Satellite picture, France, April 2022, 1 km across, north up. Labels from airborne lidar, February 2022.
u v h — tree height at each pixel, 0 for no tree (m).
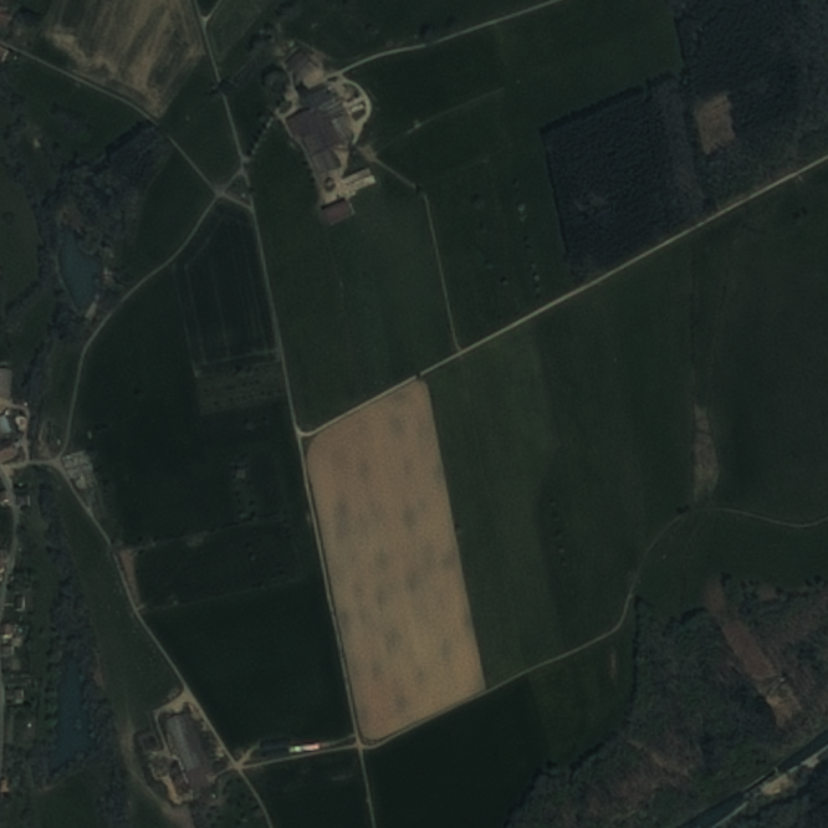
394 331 0
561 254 0
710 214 19
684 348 0
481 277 0
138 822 0
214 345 0
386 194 0
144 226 0
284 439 0
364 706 0
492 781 0
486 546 0
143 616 0
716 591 0
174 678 0
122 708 0
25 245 0
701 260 0
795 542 0
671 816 23
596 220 19
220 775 0
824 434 0
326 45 0
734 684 20
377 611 0
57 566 18
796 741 20
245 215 0
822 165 0
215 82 0
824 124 21
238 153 0
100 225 21
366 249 0
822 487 0
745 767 19
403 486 0
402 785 0
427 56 0
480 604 0
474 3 0
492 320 0
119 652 0
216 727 0
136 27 0
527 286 0
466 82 0
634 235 24
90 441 0
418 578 0
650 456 0
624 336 0
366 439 0
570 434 0
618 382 0
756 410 0
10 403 0
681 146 30
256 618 0
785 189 0
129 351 0
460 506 0
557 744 0
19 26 16
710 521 0
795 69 25
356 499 0
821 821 13
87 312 0
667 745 21
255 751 0
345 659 0
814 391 0
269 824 0
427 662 0
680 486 0
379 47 0
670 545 0
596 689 0
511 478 0
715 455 0
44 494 16
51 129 0
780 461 0
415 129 0
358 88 0
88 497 0
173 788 0
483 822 0
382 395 0
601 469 0
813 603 19
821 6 24
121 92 0
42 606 0
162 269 0
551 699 0
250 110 0
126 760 0
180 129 0
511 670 0
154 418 0
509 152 0
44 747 11
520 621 0
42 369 17
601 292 0
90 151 0
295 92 0
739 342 0
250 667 0
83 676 7
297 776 0
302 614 0
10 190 0
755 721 21
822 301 0
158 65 0
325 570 0
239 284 0
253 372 6
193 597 0
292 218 0
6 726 0
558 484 0
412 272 0
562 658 0
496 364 0
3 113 0
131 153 25
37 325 0
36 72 0
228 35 0
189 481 0
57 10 0
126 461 0
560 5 0
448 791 0
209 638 0
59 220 17
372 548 0
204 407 0
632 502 0
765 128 27
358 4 0
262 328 0
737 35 26
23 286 0
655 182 24
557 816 22
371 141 0
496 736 0
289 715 0
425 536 0
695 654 21
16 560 0
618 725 0
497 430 0
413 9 0
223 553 0
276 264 0
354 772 0
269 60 0
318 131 0
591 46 0
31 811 8
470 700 0
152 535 0
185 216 0
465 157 0
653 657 21
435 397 0
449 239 0
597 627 0
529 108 0
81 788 0
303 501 0
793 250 0
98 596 0
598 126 22
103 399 0
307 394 0
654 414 0
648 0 0
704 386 0
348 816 0
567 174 23
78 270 0
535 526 0
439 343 0
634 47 0
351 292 0
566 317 0
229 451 0
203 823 14
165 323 0
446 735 0
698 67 23
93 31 0
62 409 0
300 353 0
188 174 0
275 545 0
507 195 0
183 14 0
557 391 0
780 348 0
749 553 0
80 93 0
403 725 0
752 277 0
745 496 0
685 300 0
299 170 0
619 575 0
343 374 0
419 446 0
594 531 0
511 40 0
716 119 0
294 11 19
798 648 15
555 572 0
